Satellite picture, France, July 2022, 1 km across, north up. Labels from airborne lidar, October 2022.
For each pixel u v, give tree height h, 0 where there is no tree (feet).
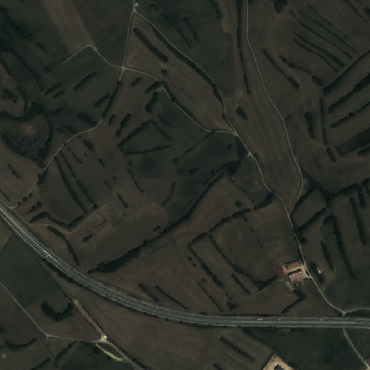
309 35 0
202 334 0
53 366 0
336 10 0
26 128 0
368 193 18
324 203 0
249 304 0
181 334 0
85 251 0
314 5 0
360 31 0
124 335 0
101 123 0
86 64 0
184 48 0
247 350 0
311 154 0
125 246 0
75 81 0
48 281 0
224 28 0
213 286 0
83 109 0
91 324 0
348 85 0
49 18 0
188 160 0
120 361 0
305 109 0
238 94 0
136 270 0
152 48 24
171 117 0
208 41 0
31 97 0
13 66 0
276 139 0
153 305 0
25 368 0
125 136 0
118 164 0
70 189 20
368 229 0
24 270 0
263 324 0
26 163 0
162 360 0
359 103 0
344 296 0
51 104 0
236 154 0
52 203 0
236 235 0
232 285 0
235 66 0
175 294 0
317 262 0
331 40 0
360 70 0
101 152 0
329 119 0
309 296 0
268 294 0
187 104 0
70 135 0
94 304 0
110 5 0
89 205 0
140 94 0
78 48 0
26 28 0
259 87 0
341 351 0
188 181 0
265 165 0
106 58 0
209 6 0
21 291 0
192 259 19
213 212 0
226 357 0
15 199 0
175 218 0
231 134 0
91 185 0
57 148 0
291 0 0
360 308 0
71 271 0
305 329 0
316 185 26
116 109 0
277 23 0
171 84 0
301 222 0
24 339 0
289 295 0
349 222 0
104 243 0
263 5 0
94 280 0
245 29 0
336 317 0
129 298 0
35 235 0
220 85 0
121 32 0
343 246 43
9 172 0
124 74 0
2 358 0
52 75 0
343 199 0
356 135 0
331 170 0
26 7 0
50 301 0
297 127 0
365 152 29
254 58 0
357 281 0
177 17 0
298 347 0
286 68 0
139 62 0
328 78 0
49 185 0
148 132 0
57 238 0
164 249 0
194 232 0
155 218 0
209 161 0
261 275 0
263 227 0
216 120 0
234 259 0
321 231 0
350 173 0
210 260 0
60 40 0
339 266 0
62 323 0
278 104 0
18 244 0
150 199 0
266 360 0
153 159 0
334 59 24
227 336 0
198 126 0
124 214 0
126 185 0
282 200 0
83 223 0
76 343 21
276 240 0
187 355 0
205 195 24
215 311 0
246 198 0
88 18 0
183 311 0
